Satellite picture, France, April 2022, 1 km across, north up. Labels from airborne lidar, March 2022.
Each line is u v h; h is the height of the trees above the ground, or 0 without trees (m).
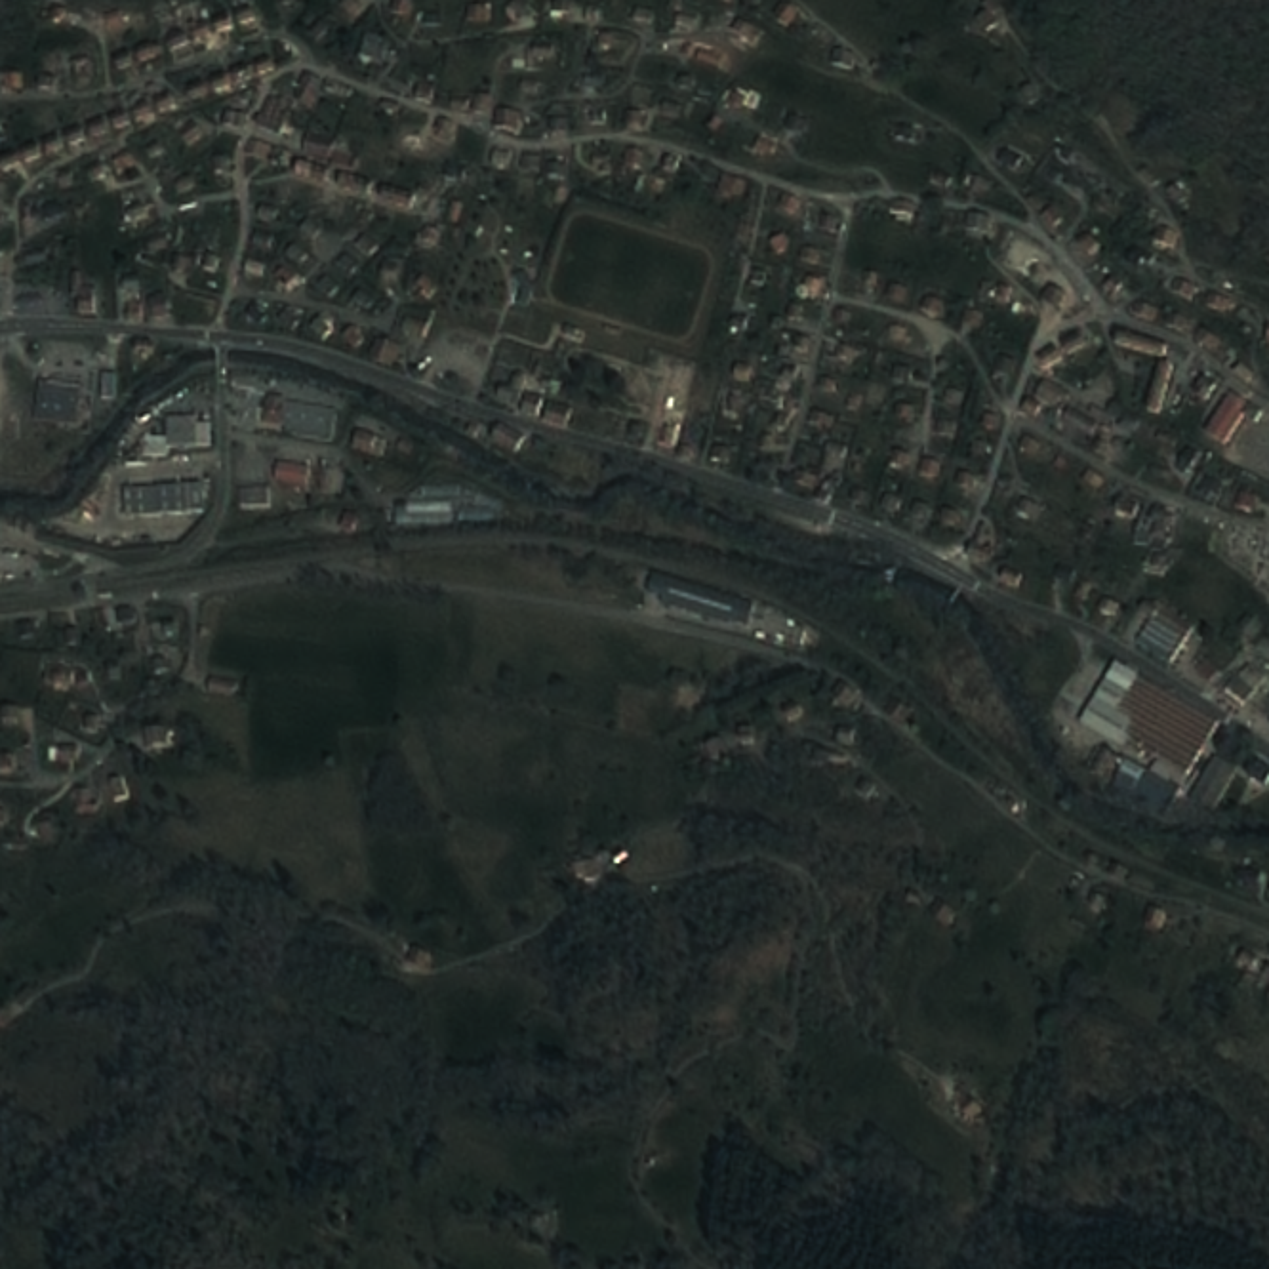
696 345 0
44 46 8
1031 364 0
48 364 0
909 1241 21
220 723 0
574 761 0
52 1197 21
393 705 0
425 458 0
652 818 0
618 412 0
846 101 0
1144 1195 15
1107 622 0
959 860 8
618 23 0
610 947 7
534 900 0
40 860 0
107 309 0
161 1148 14
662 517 11
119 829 12
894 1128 0
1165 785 0
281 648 0
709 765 8
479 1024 0
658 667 0
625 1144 0
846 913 12
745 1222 24
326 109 8
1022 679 11
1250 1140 8
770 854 16
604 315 0
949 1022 0
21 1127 20
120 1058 0
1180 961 0
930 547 0
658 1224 0
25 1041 0
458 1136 0
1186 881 0
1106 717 0
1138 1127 14
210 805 0
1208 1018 16
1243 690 0
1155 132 17
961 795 0
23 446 0
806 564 9
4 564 0
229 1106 6
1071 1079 20
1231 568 0
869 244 0
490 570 0
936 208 16
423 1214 0
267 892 20
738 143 0
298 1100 17
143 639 0
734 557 7
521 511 0
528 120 0
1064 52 9
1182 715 0
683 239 0
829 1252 21
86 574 0
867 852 10
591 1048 16
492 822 0
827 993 8
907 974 0
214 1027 19
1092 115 13
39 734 0
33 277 14
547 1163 0
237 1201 8
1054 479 0
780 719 0
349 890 0
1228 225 0
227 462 0
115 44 0
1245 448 0
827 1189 19
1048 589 0
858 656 0
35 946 0
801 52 0
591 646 0
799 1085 11
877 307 0
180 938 0
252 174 0
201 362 0
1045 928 0
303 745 0
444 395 0
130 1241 8
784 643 0
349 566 0
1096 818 19
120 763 0
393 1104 24
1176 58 19
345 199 0
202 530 0
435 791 0
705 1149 0
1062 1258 17
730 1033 0
